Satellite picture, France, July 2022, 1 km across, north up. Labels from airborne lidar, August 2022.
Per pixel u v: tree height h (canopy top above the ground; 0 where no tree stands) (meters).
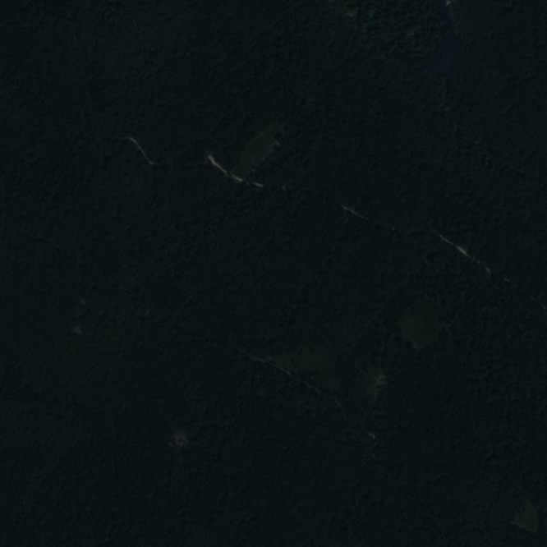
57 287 15
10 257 18
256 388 24
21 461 16
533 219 19
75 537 17
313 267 22
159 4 11
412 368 24
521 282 22
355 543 25
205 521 12
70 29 16
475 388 13
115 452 24
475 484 22
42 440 18
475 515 17
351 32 15
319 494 24
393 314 11
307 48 21
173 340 15
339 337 20
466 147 20
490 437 18
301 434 22
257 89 27
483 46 21
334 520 17
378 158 29
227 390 21
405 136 27
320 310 19
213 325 18
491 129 16
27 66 20
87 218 20
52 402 18
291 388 26
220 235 21
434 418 26
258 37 20
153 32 13
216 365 18
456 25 10
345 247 25
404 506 25
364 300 20
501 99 22
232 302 16
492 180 26
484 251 19
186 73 23
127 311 14
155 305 18
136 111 13
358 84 19
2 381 18
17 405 20
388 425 16
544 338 26
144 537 20
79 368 13
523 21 23
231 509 22
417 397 25
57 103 23
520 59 24
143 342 16
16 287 16
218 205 19
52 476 24
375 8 21
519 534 29
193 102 21
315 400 21
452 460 26
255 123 32
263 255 22
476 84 18
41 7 22
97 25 13
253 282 21
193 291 12
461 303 17
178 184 21
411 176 26
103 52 9
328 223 26
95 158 18
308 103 8
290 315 9
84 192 23
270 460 20
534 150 11
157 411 18
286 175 27
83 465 22
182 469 23
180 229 16
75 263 16
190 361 18
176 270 17
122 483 19
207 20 15
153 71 12
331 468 29
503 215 17
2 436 16
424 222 25
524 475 20
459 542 20
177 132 22
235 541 21
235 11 27
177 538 15
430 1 11
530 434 27
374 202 23
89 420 20
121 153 17
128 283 14
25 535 10
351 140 26
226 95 28
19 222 16
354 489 19
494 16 17
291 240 23
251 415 17
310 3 16
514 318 28
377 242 25
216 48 26
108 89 13
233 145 27
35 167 13
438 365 27
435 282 19
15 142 21
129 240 18
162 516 16
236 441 22
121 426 20
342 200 29
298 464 26
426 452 26
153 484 14
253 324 19
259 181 12
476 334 25
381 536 29
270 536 23
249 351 19
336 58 22
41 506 19
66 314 12
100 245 22
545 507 20
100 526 17
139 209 17
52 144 22
